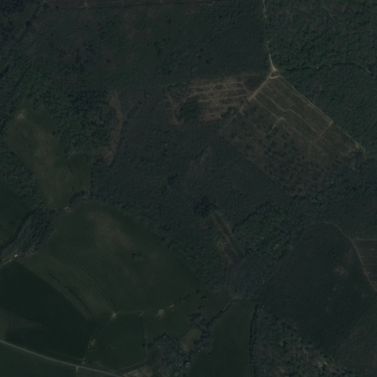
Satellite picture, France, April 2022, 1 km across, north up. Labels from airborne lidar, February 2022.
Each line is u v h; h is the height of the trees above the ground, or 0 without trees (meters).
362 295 6
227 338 0
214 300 0
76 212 0
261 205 13
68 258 0
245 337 0
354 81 26
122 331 0
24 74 24
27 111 0
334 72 26
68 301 0
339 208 13
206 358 0
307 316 6
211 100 0
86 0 0
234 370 0
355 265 7
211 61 13
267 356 0
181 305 0
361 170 23
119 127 0
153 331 0
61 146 0
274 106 0
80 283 0
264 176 11
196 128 16
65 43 12
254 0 12
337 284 6
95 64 12
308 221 19
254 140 0
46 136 0
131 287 0
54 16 13
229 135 0
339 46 21
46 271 0
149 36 13
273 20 21
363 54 19
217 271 19
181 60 16
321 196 21
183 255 20
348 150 0
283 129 0
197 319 19
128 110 19
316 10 23
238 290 18
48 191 0
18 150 0
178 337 0
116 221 0
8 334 0
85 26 13
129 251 0
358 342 0
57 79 17
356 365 0
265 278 25
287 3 25
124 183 18
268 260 24
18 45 12
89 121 25
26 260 0
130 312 0
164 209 20
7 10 21
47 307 0
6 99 17
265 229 29
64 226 0
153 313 0
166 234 28
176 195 19
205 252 20
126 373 0
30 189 23
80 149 26
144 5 11
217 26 14
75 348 0
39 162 0
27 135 0
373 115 24
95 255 0
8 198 0
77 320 0
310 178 23
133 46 13
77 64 15
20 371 0
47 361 0
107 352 0
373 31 24
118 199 18
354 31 26
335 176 19
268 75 19
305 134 0
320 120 0
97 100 28
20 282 0
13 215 0
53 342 0
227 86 0
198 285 0
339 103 26
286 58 26
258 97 0
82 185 0
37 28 14
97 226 0
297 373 0
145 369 0
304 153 0
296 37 23
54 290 0
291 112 0
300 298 6
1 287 0
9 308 0
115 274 0
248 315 0
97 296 0
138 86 12
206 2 9
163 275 0
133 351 0
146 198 19
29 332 0
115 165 19
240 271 23
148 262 0
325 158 0
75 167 0
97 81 13
